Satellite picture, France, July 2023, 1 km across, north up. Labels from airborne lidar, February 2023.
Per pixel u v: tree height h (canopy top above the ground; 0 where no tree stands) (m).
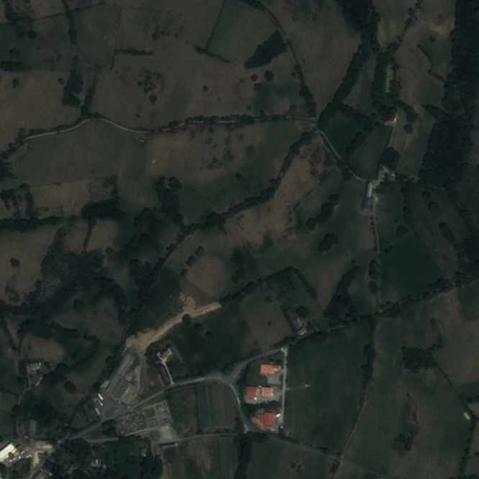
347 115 18
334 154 11
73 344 0
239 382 8
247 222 0
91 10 0
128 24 0
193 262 15
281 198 0
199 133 0
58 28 0
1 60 0
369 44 14
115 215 8
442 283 18
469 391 0
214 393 0
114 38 0
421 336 0
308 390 0
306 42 0
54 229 0
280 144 0
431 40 8
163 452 0
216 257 0
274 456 0
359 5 9
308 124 0
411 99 0
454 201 17
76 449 20
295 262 0
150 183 0
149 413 0
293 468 7
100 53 0
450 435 0
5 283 0
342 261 0
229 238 0
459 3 12
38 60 0
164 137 0
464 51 17
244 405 10
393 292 0
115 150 0
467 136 17
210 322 0
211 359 0
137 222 16
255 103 0
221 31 0
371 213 0
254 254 0
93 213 8
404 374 0
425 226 0
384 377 0
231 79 0
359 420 0
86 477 13
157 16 0
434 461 0
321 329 0
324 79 0
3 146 0
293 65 0
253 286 20
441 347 7
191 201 0
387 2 0
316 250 0
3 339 0
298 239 0
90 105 6
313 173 0
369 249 0
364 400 10
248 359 0
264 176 0
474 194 0
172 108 0
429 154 14
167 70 0
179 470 0
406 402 0
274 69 0
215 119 9
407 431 0
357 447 0
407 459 0
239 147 0
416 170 0
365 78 0
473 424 9
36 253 0
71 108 0
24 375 6
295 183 0
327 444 0
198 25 0
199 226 10
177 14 0
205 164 0
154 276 17
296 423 0
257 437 19
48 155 0
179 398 0
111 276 0
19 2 0
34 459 0
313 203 0
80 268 11
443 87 0
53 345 0
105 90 0
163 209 7
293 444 0
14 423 9
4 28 0
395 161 8
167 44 0
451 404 0
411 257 0
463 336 0
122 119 0
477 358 0
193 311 0
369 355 18
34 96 0
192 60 0
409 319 0
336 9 0
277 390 0
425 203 0
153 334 0
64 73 0
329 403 0
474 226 20
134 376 0
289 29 0
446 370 0
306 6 0
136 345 0
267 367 0
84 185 0
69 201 0
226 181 0
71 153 0
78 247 0
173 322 0
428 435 0
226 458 0
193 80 0
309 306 0
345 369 0
